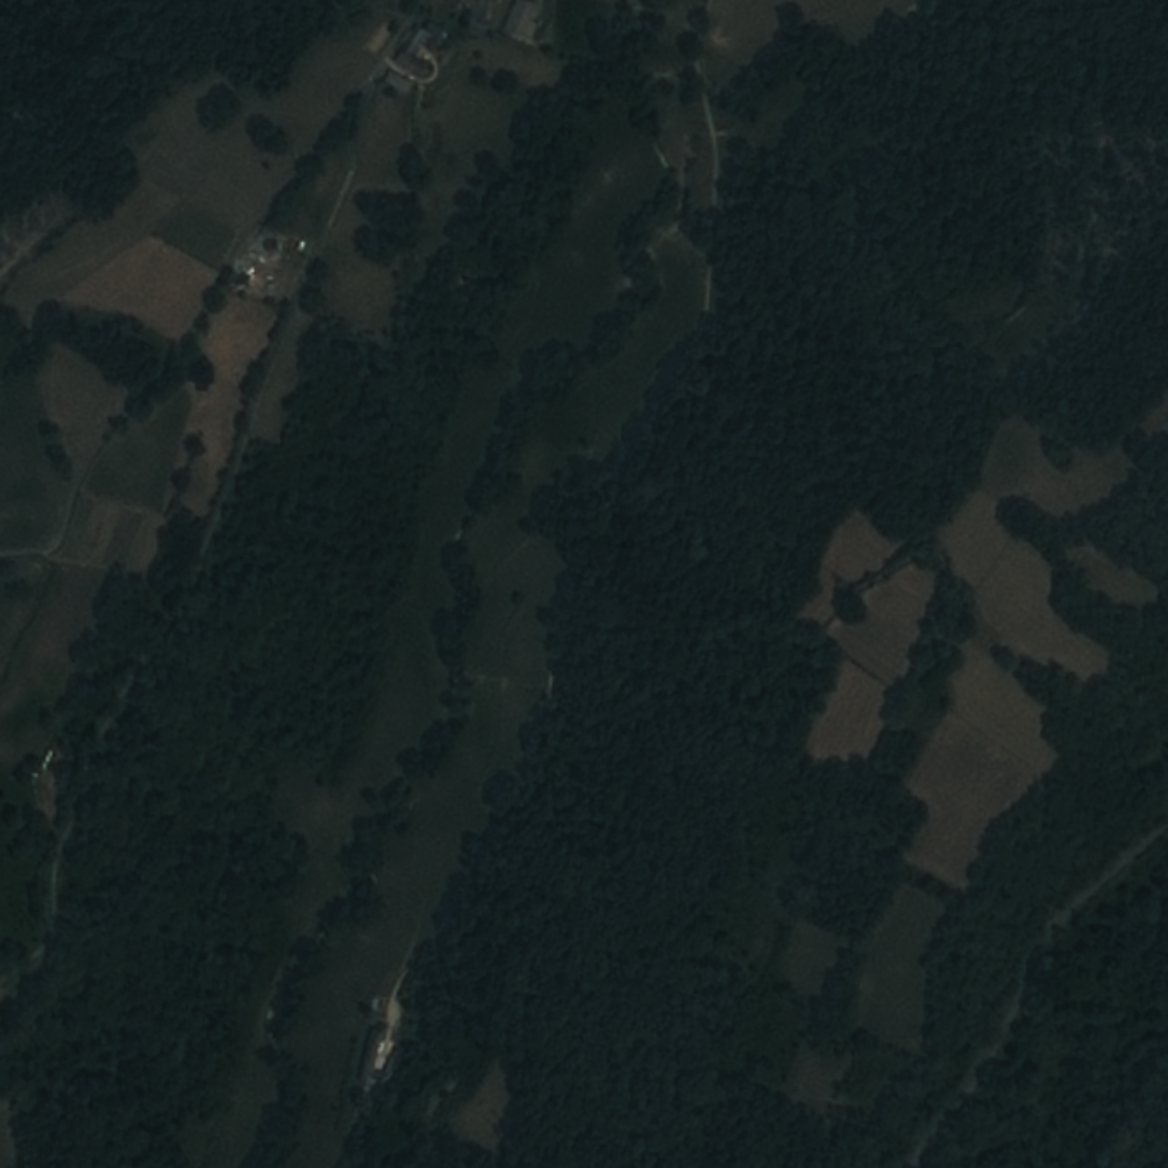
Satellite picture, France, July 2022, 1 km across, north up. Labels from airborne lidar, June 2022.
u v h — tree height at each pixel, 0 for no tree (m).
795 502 22
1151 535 25
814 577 22
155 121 0
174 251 0
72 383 0
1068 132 18
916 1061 16
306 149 0
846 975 19
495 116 0
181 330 0
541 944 23
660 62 0
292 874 26
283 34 13
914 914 0
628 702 23
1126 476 0
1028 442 0
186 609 16
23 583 10
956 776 0
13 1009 21
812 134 29
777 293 22
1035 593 0
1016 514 21
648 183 0
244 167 0
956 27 29
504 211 15
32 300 0
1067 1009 20
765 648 19
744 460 21
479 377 0
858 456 21
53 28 16
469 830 0
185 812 32
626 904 24
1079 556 0
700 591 22
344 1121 0
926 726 0
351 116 9
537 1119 26
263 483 11
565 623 18
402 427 38
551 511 27
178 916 36
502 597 0
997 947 30
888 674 0
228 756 27
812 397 28
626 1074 26
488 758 0
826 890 20
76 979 27
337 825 0
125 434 10
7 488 0
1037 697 17
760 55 0
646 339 0
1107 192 23
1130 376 23
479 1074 0
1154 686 26
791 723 18
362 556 22
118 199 19
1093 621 27
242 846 24
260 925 27
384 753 0
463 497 0
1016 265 7
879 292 20
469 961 29
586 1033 27
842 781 17
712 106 7
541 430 0
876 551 0
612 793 33
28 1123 27
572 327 0
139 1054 21
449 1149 23
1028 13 25
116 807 29
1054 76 31
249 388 16
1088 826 32
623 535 15
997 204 15
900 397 25
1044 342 0
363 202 22
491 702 0
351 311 0
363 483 15
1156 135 7
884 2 0
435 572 0
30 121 24
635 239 26
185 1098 13
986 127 22
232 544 14
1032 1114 25
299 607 24
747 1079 19
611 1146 24
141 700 26
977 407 22
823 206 22
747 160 22
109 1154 31
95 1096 31
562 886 26
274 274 0
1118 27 28
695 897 23
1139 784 19
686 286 0
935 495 23
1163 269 14
